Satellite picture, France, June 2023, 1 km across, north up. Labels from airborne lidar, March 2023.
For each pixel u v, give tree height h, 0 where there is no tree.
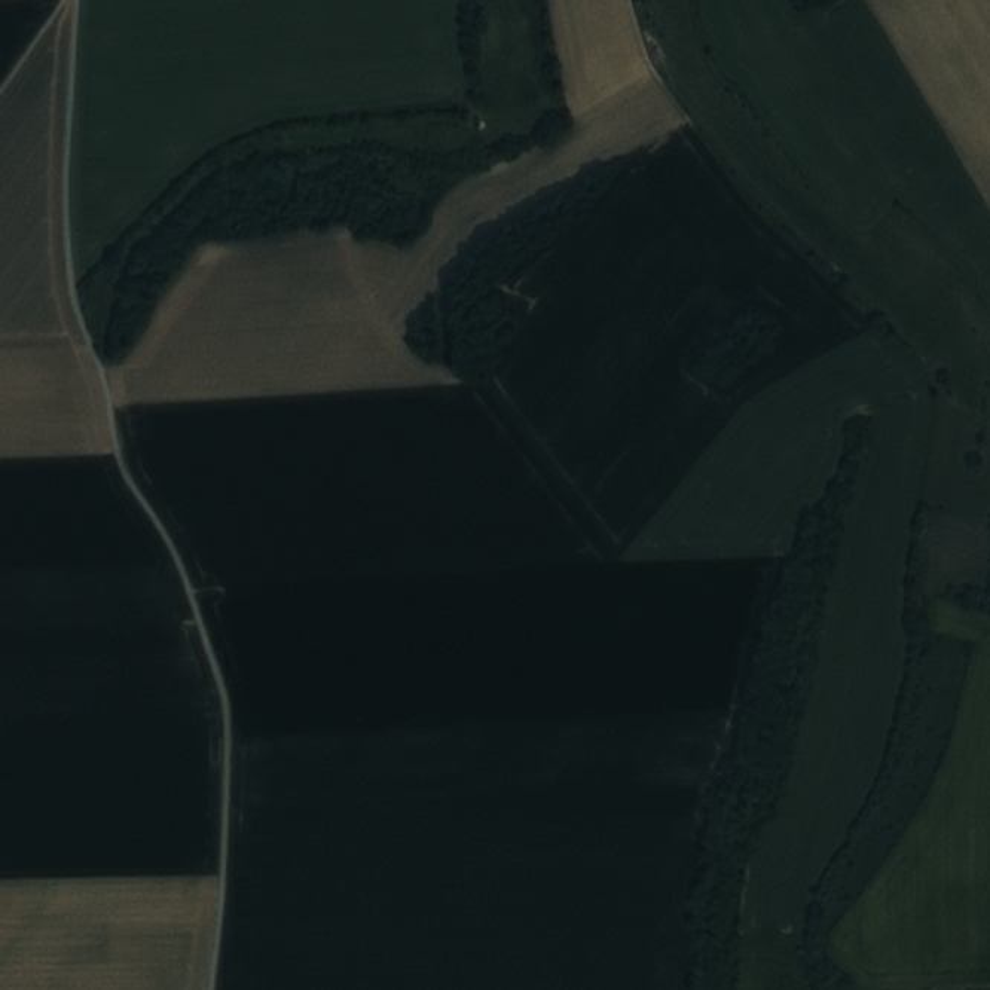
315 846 0
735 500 0
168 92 0
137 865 0
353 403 0
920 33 0
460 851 0
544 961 0
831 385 0
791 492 0
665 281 0
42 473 0
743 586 0
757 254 0
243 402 0
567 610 0
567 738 0
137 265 17
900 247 0
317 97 0
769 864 0
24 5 0
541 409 0
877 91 0
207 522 0
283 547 0
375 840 0
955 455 0
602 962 0
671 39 0
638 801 0
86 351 0
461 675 0
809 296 0
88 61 0
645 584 0
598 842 0
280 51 0
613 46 0
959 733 0
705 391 0
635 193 0
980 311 0
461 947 0
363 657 0
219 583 0
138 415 0
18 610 0
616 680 0
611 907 0
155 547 0
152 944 0
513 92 0
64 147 0
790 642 16
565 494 0
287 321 0
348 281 0
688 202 0
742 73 0
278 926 0
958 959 0
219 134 0
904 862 0
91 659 0
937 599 0
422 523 0
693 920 13
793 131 0
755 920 0
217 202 21
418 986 0
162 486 0
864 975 0
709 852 17
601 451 0
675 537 0
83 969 0
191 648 0
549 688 0
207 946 0
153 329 0
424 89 0
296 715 0
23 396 0
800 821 0
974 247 0
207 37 0
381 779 0
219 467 0
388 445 0
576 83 0
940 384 10
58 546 0
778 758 20
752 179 0
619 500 0
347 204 20
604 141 0
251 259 0
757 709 19
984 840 0
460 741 0
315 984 0
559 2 0
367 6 0
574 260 0
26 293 0
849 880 0
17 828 0
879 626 0
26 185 0
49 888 0
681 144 0
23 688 0
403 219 17
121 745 0
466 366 19
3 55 0
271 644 0
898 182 0
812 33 0
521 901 0
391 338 0
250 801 0
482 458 0
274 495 0
